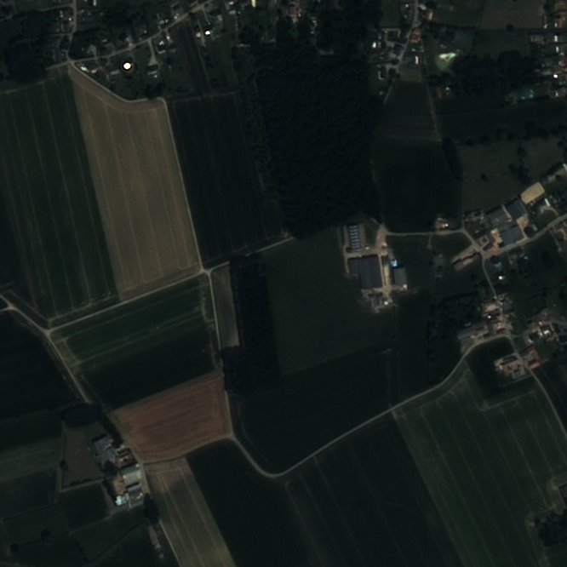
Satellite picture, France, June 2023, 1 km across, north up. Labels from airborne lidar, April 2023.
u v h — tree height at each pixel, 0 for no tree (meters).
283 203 11
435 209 0
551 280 0
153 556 0
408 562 0
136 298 0
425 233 0
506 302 0
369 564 0
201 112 0
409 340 0
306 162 31
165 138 0
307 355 0
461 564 0
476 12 0
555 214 0
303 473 0
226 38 0
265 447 0
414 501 0
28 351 0
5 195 0
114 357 0
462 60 18
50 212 0
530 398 0
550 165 0
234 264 21
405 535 0
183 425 0
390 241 0
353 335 0
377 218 19
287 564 0
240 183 0
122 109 0
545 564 0
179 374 0
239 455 0
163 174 0
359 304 0
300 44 6
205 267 0
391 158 0
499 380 0
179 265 0
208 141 0
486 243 0
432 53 0
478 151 0
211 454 0
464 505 0
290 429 0
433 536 0
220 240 0
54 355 0
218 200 0
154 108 0
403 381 0
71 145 0
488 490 0
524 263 12
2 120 0
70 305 0
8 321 0
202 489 0
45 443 0
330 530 0
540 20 0
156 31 0
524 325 0
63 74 0
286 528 0
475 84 15
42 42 18
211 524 0
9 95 0
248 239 0
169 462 0
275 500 0
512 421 0
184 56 0
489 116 0
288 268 0
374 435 0
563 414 0
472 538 0
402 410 0
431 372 0
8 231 0
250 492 0
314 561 0
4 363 0
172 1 0
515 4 0
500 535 0
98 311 0
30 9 0
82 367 0
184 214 0
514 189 0
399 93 0
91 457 0
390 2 0
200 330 0
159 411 0
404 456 0
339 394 0
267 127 24
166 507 0
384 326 0
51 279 0
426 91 0
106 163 0
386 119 0
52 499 0
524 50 0
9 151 0
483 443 0
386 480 0
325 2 9
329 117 24
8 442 0
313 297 0
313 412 0
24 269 0
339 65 18
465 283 0
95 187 0
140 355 0
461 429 0
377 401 0
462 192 0
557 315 0
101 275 0
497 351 0
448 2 0
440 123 0
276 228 0
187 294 0
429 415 0
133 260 0
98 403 0
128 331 0
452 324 12
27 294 0
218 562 0
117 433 25
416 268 0
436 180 0
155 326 0
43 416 0
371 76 0
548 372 0
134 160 0
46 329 0
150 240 0
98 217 0
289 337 0
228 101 0
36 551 0
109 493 10
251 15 0
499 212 0
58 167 0
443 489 0
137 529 0
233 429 0
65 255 0
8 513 0
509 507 0
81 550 6
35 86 0
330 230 0
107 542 0
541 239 0
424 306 0
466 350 0
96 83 0
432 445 0
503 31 0
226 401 0
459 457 0
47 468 0
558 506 0
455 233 0
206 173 0
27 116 0
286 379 0
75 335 0
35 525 0
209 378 0
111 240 0
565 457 0
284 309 0
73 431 0
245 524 0
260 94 14
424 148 0
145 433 0
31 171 0
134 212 0
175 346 0
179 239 0
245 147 0
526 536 0
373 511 0
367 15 30
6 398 0
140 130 0
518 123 0
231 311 0
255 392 0
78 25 0
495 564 0
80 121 0
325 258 0
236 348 0
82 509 0
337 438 0
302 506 0
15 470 0
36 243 0
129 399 0
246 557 0
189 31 0
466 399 0
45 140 0
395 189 0
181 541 0
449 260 0
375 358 0
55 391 0
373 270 0
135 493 0
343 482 0
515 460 0
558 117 0
